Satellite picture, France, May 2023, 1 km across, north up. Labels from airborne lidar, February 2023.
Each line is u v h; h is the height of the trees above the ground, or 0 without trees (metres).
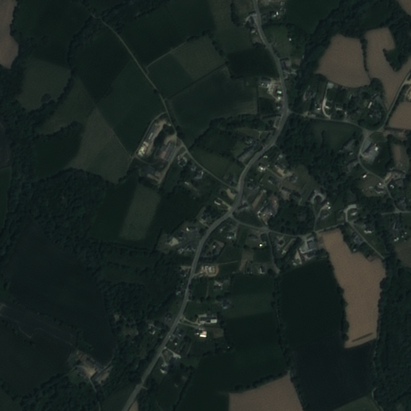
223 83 0
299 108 16
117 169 0
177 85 0
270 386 0
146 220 0
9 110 6
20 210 19
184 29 0
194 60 0
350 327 0
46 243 0
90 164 0
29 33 0
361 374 0
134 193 0
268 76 0
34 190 21
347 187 8
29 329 0
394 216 11
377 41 0
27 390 0
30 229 0
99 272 27
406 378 13
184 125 0
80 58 0
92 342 0
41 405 0
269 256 0
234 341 0
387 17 0
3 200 0
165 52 0
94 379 0
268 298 0
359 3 9
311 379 0
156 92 13
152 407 11
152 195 0
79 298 0
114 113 0
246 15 0
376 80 9
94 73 0
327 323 0
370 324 0
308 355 0
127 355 15
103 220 0
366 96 14
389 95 0
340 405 0
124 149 0
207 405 0
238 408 0
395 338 10
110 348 0
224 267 0
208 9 0
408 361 15
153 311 18
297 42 5
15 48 0
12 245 10
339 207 0
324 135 7
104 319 0
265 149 0
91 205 23
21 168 21
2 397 0
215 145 0
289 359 11
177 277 11
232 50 0
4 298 0
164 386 0
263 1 0
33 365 0
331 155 13
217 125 13
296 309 0
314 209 0
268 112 0
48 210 10
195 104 0
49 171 0
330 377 0
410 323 14
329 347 0
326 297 0
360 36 13
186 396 0
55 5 0
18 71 16
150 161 0
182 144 0
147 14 14
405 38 14
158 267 7
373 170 0
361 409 0
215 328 0
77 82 0
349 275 0
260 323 0
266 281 0
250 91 0
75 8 0
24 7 0
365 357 0
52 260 0
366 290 0
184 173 12
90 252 7
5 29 0
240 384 0
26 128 15
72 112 0
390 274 19
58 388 16
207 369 0
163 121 0
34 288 0
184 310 0
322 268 0
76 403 17
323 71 0
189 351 0
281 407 0
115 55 0
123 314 19
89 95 0
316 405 0
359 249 7
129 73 0
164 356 0
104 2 0
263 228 0
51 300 0
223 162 0
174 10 0
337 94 0
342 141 0
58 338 0
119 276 0
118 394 0
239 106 0
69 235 20
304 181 0
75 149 0
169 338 0
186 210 0
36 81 0
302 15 0
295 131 12
